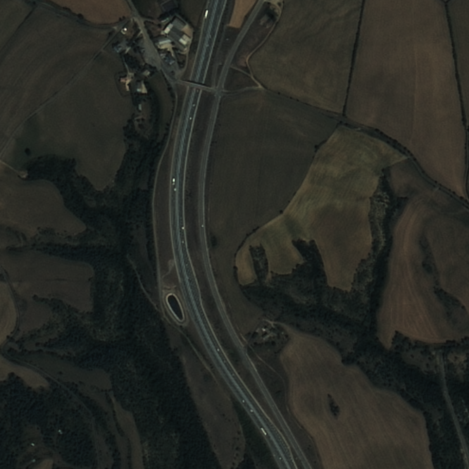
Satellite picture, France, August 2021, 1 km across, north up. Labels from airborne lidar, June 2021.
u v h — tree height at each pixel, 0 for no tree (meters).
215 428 0
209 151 0
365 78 0
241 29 0
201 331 0
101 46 0
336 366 0
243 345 0
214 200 0
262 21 0
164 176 0
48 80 0
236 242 0
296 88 0
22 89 0
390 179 0
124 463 0
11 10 0
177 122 0
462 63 0
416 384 9
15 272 0
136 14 0
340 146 0
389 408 0
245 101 0
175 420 10
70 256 6
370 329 10
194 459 5
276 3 0
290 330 0
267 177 0
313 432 0
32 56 0
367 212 0
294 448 0
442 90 0
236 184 0
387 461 0
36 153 0
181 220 0
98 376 0
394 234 0
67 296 0
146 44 0
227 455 0
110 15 0
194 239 0
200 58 0
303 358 0
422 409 9
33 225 0
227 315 0
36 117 0
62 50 0
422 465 0
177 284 0
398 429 0
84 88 0
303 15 0
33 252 0
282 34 0
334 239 0
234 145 0
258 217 0
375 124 0
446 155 0
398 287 0
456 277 0
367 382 0
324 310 6
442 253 0
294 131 0
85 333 8
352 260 0
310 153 0
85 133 0
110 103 0
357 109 0
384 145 0
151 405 8
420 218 0
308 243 0
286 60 0
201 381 0
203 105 0
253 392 0
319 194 0
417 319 0
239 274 0
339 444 0
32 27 0
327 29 0
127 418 0
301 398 0
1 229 0
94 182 0
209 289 0
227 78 0
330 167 0
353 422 0
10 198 0
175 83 0
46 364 0
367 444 0
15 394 11
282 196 0
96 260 7
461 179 0
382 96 0
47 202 0
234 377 0
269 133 0
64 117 0
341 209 0
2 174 0
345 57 0
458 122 0
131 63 11
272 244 0
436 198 0
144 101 7
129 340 12
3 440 7
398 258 0
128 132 8
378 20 0
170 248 0
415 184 0
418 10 0
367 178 0
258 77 0
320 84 0
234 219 0
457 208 0
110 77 0
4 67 0
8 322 0
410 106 0
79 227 0
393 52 0
